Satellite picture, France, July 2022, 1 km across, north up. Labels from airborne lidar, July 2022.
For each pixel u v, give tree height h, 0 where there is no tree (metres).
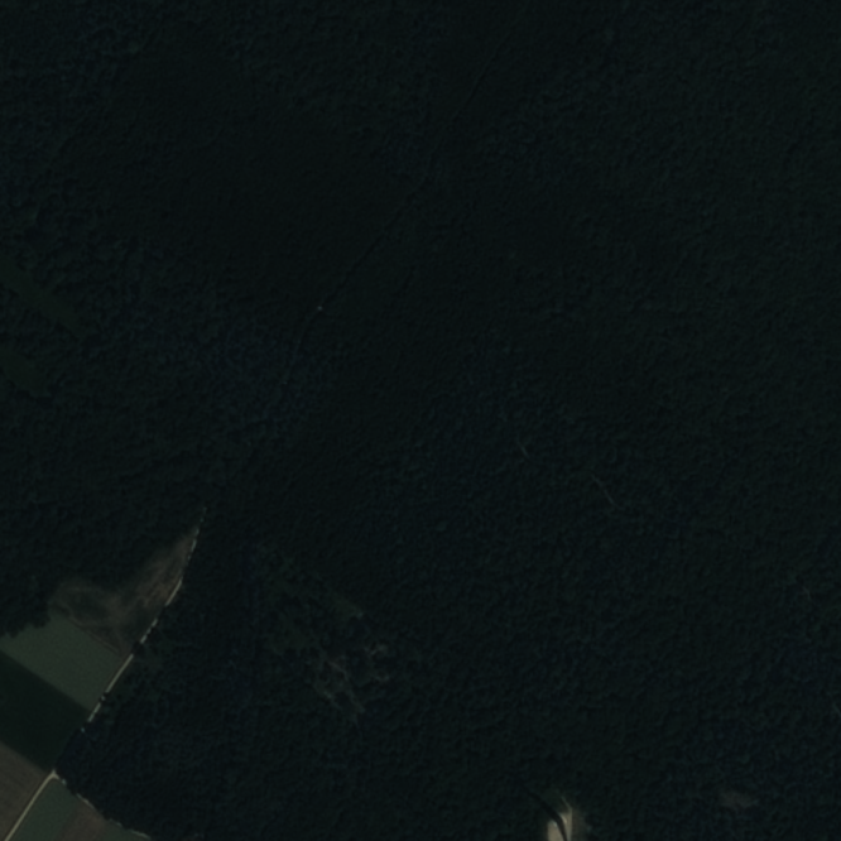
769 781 14
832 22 18
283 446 21
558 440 17
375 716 23
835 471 20
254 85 15
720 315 17
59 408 19
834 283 18
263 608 25
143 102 19
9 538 23
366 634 25
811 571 17
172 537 20
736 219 22
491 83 16
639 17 24
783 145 15
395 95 25
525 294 18
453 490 16
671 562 21
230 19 9
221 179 12
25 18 12
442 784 15
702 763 25
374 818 19
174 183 13
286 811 23
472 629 15
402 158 21
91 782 11
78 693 0
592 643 18
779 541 18
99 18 15
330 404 15
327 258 18
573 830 0
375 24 26
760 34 21
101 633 0
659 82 17
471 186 18
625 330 18
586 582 15
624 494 17
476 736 17
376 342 16
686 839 22
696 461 16
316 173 15
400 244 14
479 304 16
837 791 21
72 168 13
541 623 20
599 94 20
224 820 20
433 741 19
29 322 20
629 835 23
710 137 17
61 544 23
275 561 23
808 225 21
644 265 16
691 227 21
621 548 12
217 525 11
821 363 18
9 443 21
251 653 13
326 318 16
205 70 14
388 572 13
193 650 12
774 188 17
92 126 11
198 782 13
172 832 15
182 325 24
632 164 20
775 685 24
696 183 21
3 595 21
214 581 11
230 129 14
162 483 18
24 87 15
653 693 22
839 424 22
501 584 19
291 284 16
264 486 18
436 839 17
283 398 22
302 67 19
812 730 19
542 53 16
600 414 16
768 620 23
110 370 20
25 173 17
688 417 17
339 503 15
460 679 21
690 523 18
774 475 19
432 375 17
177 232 16
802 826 23
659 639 18
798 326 25
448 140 20
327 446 15
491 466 13
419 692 18
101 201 14
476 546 16
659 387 13
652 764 22
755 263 20
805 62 18
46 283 25
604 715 18
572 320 17
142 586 0
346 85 19
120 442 19
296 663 25
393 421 14
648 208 19
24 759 0
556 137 18
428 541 8
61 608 0
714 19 22
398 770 15
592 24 15
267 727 20
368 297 14
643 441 16
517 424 16
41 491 21
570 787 20
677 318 18
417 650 23
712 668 20
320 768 25
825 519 19
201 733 15
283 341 26
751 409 20
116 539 23
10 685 0
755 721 22
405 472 11
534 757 25
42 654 0
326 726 20
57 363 20
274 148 15
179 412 22
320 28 21
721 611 22
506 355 13
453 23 15
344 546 17
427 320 15
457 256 17
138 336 23
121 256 15
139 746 19
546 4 16
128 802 16
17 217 22
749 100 19
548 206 17
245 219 10
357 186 18
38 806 0
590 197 21
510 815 20
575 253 17
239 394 25
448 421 20
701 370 26
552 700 20
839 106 18
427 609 17
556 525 19
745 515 18
